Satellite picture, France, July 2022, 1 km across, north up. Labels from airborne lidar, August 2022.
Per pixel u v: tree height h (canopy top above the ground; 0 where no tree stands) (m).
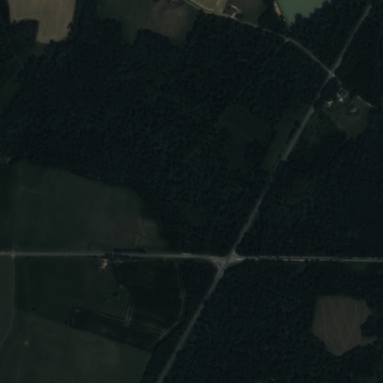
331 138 8
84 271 0
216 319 23
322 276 25
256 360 29
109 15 0
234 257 0
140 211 0
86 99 22
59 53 27
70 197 0
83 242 0
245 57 23
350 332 0
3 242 0
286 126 0
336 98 20
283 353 25
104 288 0
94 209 0
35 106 18
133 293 0
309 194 20
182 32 0
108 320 0
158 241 0
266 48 20
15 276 0
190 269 24
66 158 9
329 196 10
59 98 20
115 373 0
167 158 23
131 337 0
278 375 21
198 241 21
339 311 0
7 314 0
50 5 0
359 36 21
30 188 0
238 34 24
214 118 21
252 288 15
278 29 16
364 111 0
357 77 12
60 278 0
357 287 17
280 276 19
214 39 26
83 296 0
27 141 23
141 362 0
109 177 10
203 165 23
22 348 0
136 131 9
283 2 0
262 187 21
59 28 0
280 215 21
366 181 17
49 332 0
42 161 7
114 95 18
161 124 8
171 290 0
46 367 0
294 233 19
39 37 0
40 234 0
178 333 21
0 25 22
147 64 24
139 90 23
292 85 7
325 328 0
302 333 25
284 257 0
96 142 21
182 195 22
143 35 23
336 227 16
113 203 0
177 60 20
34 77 23
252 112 18
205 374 20
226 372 25
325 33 15
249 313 18
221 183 10
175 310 0
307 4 0
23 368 0
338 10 22
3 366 0
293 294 14
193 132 23
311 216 15
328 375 19
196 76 24
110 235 0
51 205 0
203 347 23
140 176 18
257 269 14
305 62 21
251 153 22
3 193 0
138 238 0
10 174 0
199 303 15
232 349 28
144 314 0
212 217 22
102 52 24
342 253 19
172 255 0
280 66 9
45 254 0
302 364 22
